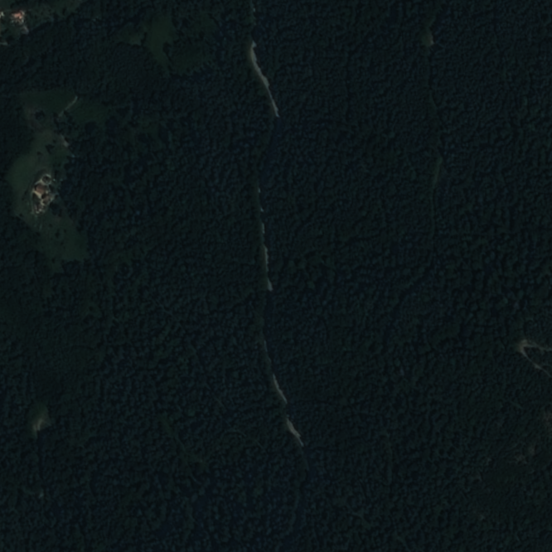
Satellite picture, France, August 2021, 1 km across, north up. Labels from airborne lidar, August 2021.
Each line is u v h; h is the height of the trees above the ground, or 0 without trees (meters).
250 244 20
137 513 23
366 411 20
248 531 29
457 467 27
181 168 20
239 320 28
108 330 11
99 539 21
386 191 23
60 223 0
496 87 24
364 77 24
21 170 0
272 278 20
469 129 22
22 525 23
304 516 27
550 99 23
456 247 25
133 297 26
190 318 19
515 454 8
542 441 8
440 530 11
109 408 12
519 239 14
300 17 30
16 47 22
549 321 17
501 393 21
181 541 27
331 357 31
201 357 8
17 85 29
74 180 17
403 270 23
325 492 18
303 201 19
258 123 30
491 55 23
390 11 9
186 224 22
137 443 25
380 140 13
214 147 41
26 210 0
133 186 29
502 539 24
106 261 28
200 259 21
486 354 22
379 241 18
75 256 0
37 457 12
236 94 26
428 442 6
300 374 31
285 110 26
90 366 16
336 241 6
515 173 23
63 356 24
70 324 25
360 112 20
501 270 33
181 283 26
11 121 24
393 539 28
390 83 22
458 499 24
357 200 19
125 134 33
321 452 29
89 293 14
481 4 24
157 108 30
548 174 16
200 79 28
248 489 7
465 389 19
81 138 22
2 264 29
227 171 30
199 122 34
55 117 0
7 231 31
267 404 28
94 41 35
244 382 9
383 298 13
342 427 31
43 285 17
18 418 25
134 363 32
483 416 26
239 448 25
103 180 30
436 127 9
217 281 18
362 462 25
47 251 0
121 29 16
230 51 27
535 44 10
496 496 18
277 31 22
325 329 28
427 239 22
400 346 17
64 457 25
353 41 14
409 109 27
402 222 25
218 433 23
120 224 24
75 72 30
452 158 22
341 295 28
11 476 18
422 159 24
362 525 30
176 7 24
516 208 16
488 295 17
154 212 22
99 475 9
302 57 10
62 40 30
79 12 21
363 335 17
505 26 24
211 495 17
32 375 16
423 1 15
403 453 13
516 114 15
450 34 28
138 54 22
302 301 26
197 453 18
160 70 25
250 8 17
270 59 23
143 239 19
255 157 19
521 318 13
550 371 18
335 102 18
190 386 25
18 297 29
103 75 24
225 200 36
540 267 16
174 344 32
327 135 29
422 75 25
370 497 15
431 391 25
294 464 31
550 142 23
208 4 29
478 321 19
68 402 35
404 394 7
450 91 19
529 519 25
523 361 24
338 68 25
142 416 29
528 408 17
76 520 11
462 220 19
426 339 19
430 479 23
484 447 24
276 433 26
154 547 16
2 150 26
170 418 29
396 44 17
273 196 25
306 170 31
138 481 18
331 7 29
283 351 25
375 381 28
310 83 24
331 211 18
